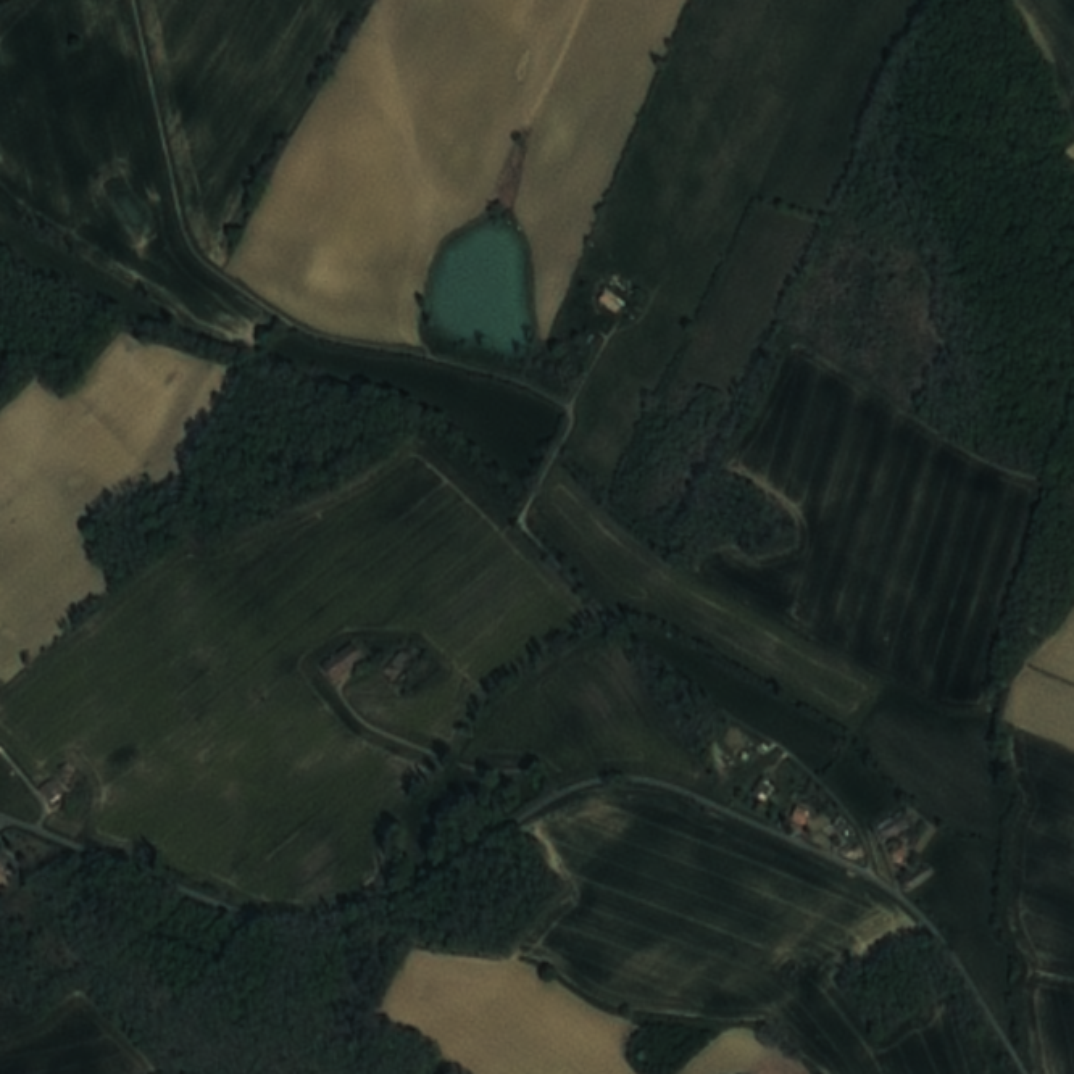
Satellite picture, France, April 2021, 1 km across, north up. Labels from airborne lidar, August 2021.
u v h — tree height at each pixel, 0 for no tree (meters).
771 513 21
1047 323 27
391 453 25
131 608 0
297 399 23
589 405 0
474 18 0
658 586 0
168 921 12
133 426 0
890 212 16
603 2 0
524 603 0
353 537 0
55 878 18
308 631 0
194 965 20
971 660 0
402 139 0
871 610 0
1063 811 0
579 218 0
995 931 9
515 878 16
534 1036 0
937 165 22
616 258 0
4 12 8
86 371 20
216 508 19
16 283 20
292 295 0
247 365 24
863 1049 0
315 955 24
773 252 0
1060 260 28
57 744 0
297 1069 15
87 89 0
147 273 0
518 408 0
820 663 0
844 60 0
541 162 0
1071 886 0
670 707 14
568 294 0
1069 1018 0
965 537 0
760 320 0
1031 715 0
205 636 0
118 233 0
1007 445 16
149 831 0
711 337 0
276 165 12
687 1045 7
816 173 0
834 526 0
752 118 0
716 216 0
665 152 0
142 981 9
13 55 0
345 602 0
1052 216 28
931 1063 0
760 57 0
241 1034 18
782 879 0
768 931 0
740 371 0
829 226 10
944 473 0
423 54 0
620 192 0
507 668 0
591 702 0
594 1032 0
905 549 0
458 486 0
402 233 0
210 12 0
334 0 0
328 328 0
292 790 0
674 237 0
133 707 0
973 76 22
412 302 0
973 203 24
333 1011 15
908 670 0
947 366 18
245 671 0
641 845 0
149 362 0
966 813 0
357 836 0
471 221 0
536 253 0
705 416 9
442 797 0
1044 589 16
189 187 0
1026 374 18
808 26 0
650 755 0
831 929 0
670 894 0
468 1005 0
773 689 14
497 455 0
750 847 0
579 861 0
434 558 0
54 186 0
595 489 10
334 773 0
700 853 0
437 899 21
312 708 0
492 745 0
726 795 0
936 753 0
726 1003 0
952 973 22
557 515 0
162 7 0
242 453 19
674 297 0
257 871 0
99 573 15
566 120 0
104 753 0
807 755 0
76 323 22
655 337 0
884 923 0
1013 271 25
